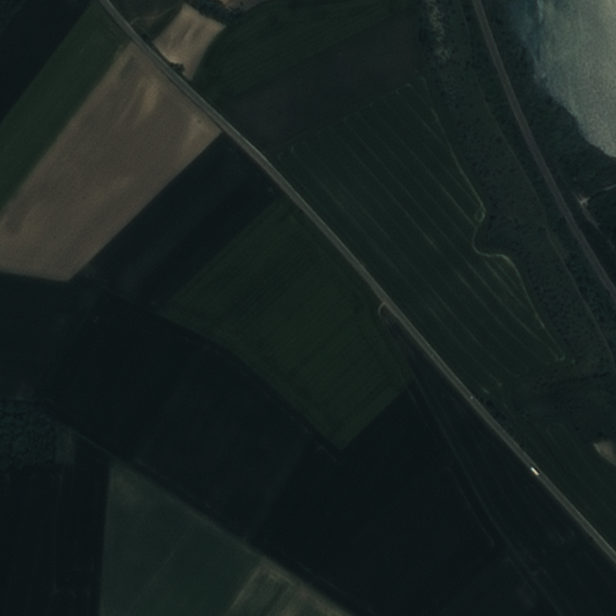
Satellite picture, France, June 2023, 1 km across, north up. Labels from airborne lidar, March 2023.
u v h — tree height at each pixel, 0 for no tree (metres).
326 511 0
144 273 0
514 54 8
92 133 0
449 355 0
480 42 11
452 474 0
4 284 0
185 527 0
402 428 0
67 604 0
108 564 0
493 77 11
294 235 0
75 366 0
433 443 0
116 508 0
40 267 0
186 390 0
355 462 0
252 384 0
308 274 0
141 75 0
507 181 0
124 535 0
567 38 0
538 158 0
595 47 0
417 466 0
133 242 0
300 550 0
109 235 0
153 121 0
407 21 0
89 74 0
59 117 0
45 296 0
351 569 0
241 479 0
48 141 0
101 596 0
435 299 0
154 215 0
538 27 0
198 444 0
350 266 0
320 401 0
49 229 0
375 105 0
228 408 0
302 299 0
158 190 0
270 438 0
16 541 0
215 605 0
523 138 10
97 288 0
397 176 0
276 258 0
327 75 0
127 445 0
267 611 0
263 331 0
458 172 0
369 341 0
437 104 0
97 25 0
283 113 0
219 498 0
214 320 0
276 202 0
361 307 0
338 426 0
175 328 0
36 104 0
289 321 0
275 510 0
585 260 9
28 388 0
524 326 0
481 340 0
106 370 0
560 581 0
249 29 0
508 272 0
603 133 0
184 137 0
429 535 0
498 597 0
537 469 0
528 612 0
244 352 0
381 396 0
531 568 0
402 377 0
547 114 8
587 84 0
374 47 0
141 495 0
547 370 0
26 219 0
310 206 0
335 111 0
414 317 0
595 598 0
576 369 0
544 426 0
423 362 0
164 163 0
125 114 0
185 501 0
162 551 0
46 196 0
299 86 0
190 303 0
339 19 0
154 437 0
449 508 0
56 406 0
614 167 0
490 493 0
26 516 0
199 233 0
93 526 0
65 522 0
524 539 0
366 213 0
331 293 0
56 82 0
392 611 0
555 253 0
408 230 0
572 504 0
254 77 0
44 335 0
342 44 0
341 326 0
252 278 0
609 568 0
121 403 0
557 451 0
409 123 0
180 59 0
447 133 0
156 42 0
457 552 0
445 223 0
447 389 0
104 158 0
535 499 0
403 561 0
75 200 0
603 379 7
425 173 0
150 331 0
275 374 0
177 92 0
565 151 8
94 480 0
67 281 0
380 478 0
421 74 0
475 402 0
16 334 0
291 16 0
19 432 17
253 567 0
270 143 0
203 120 0
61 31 0
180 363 0
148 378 0
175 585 0
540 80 0
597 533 0
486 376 0
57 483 0
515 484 0
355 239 0
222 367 0
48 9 0
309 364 0
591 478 0
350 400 0
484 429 0
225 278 0
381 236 0
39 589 0
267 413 0
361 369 0
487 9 8
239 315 0
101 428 0
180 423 0
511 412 0
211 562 0
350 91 0
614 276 6
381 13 0
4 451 17
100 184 0
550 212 6
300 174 0
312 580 0
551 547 0
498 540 0
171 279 0
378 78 0
